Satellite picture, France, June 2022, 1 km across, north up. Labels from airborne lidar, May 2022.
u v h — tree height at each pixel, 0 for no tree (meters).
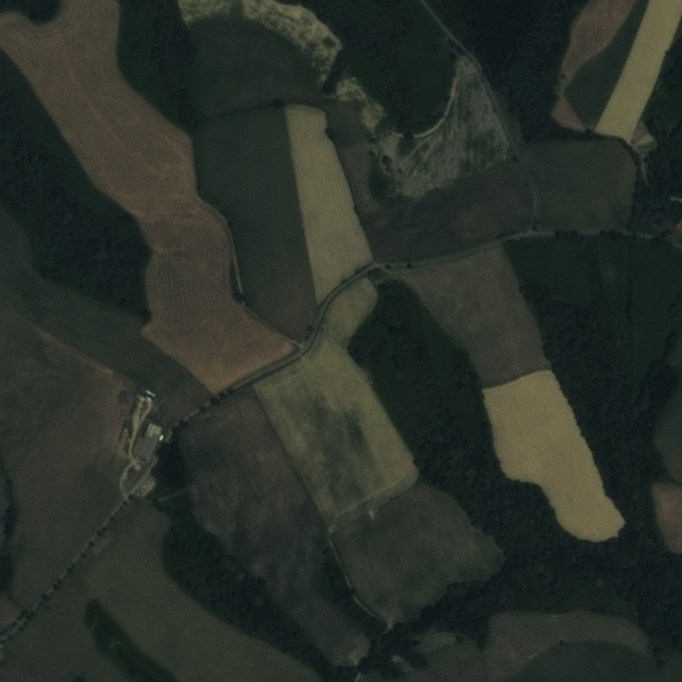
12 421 0
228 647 0
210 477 0
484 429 8
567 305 7
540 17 34
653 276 0
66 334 0
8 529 7
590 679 0
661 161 14
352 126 0
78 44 0
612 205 0
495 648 0
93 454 0
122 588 0
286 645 8
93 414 0
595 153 0
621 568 16
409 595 0
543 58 20
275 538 0
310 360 0
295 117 0
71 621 0
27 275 0
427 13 0
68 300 0
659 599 13
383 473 0
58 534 0
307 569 0
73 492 0
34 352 0
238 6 0
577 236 15
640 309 0
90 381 0
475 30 18
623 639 0
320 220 0
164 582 0
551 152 0
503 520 12
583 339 13
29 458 0
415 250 0
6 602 0
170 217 0
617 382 13
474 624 12
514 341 0
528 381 0
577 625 0
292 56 0
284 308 0
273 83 0
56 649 0
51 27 0
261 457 0
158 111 0
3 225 0
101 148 0
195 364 0
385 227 0
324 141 0
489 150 0
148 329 0
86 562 0
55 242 9
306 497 0
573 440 0
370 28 6
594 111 0
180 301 0
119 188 0
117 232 6
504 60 22
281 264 0
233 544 0
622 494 16
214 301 0
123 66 0
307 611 0
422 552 0
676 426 0
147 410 0
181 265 0
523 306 0
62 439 0
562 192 0
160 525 0
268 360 0
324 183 0
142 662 0
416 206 0
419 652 10
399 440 0
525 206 0
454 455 20
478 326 0
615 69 0
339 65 7
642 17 0
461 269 0
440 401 7
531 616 0
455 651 0
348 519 0
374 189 0
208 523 0
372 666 15
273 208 0
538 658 0
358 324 0
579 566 21
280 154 0
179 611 0
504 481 11
